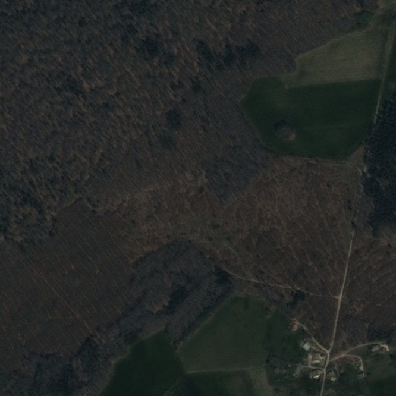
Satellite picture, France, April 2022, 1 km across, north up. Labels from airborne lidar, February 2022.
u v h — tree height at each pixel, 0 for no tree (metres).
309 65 0
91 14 25
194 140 24
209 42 26
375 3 26
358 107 0
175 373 0
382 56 0
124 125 27
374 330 11
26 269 15
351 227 0
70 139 26
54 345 10
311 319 8
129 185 28
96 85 22
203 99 26
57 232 13
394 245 0
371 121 0
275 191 15
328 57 0
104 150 22
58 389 32
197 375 0
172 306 20
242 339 0
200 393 0
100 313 12
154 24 25
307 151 0
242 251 0
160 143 24
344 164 0
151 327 31
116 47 25
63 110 27
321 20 25
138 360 0
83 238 9
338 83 0
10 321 10
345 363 0
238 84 28
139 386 0
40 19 28
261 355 0
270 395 0
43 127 25
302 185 0
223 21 21
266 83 0
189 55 23
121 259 10
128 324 33
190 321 32
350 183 0
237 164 30
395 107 29
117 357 25
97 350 18
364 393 0
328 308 9
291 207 0
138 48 24
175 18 25
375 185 26
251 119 0
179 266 27
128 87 24
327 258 8
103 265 10
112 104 25
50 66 23
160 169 27
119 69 24
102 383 33
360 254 9
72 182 20
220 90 27
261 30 23
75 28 26
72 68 22
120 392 0
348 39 0
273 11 25
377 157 28
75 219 12
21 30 28
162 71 21
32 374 24
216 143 26
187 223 0
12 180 25
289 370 9
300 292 10
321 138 0
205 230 0
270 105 0
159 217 11
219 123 25
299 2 27
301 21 27
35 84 26
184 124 25
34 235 28
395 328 6
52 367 24
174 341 27
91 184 23
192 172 24
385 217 25
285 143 0
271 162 31
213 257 10
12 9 24
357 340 22
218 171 33
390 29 0
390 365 8
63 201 25
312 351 0
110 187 27
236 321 0
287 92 0
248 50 23
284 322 0
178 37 25
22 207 19
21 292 12
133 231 0
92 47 23
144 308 33
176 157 25
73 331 10
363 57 0
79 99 28
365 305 8
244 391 0
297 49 31
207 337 0
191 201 7
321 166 32
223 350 0
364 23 21
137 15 24
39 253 12
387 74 0
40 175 24
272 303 25
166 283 28
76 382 25
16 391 28
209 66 27
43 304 10
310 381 0
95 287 11
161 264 32
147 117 18
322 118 0
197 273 24
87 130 27
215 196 32
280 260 9
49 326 10
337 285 9
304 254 6
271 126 0
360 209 25
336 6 26
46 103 24
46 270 11
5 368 11
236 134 34
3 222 22
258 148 30
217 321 0
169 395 0
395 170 26
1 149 26
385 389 0
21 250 18
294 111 0
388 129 28
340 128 0
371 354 6
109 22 28
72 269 8
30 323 12
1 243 23
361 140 0
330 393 0
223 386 0
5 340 12
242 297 0
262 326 0
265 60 30
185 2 26
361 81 0
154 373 0
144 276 31
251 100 0
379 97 0
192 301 31
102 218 12
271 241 8
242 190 33
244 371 0
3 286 11
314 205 8
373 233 21
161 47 21
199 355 0
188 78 27
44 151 23
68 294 8
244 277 0
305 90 0
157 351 0
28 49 24
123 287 14
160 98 22
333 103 0
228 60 23
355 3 25
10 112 27
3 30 30
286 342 0
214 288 32
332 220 7
